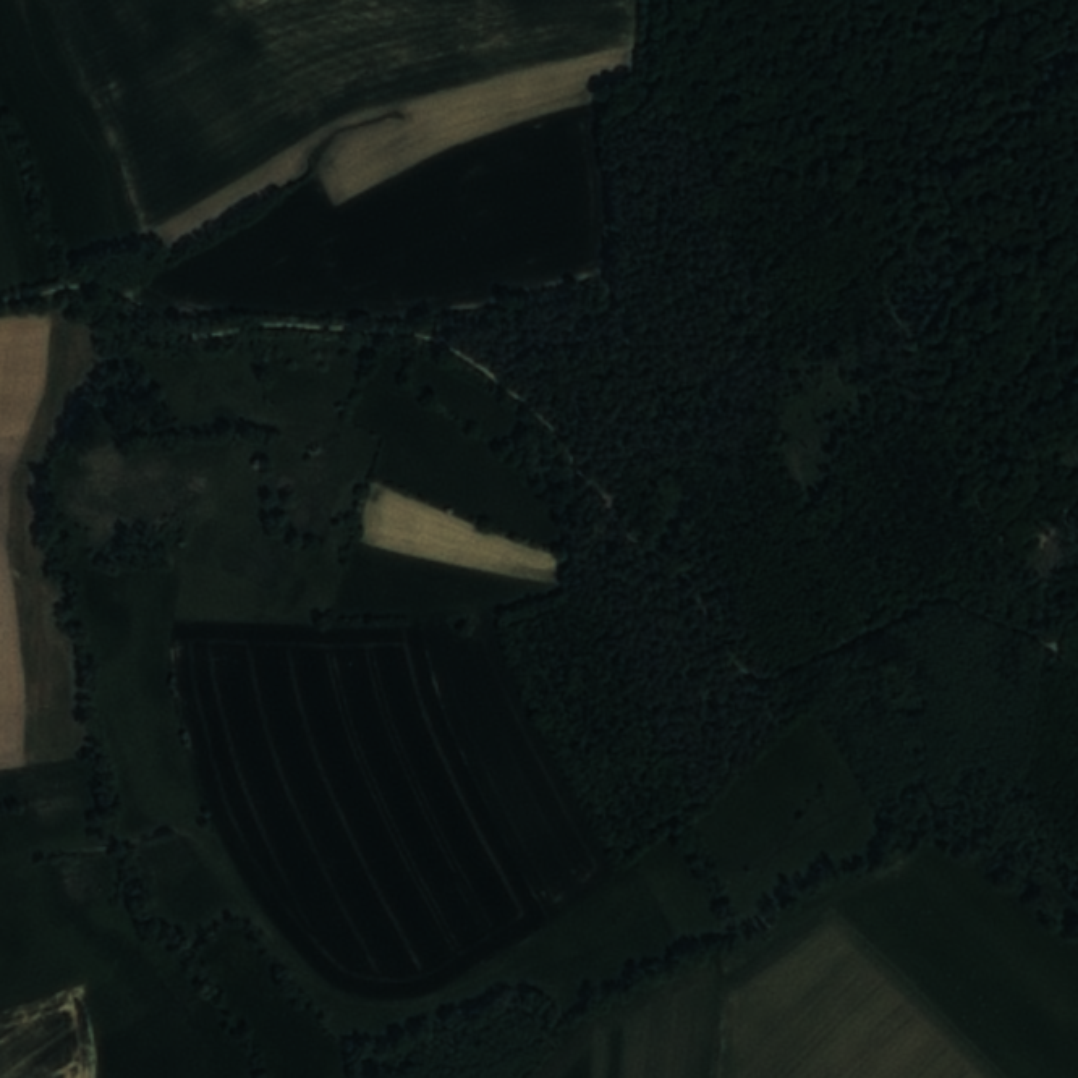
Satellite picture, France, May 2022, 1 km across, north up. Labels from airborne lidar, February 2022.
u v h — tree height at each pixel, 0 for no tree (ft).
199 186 0
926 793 61
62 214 0
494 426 0
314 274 0
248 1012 0
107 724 0
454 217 0
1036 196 78
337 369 0
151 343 65
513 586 0
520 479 21
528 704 25
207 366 0
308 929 0
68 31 0
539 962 0
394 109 0
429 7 0
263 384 50
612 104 86
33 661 0
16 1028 0
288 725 0
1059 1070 0
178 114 0
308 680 0
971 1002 0
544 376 86
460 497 0
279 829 0
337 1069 0
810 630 47
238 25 0
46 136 0
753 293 89
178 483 0
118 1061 0
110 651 0
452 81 0
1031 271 79
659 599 79
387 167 0
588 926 0
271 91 0
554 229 0
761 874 0
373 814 0
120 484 0
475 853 0
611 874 0
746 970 0
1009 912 0
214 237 57
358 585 0
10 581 0
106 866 0
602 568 87
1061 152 87
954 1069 0
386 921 0
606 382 84
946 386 83
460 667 0
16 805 54
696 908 0
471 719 0
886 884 0
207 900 0
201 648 0
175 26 0
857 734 50
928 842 66
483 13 0
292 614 0
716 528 46
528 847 0
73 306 52
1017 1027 0
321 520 0
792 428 0
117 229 0
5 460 0
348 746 0
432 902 0
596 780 33
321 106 0
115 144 0
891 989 0
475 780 0
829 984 0
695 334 99
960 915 0
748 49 95
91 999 0
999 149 76
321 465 0
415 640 0
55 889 0
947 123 89
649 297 85
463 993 0
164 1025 0
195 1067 0
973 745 56
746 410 86
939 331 60
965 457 77
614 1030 0
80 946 0
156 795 0
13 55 0
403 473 0
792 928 0
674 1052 0
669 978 61
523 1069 60
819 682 55
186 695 0
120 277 77
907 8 77
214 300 0
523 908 0
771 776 0
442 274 0
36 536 51
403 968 0
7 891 0
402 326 45
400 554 0
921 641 59
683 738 86
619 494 61
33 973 0
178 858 0
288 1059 0
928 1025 0
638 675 75
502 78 0
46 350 0
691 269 96
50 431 0
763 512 53
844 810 0
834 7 94
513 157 0
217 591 0
